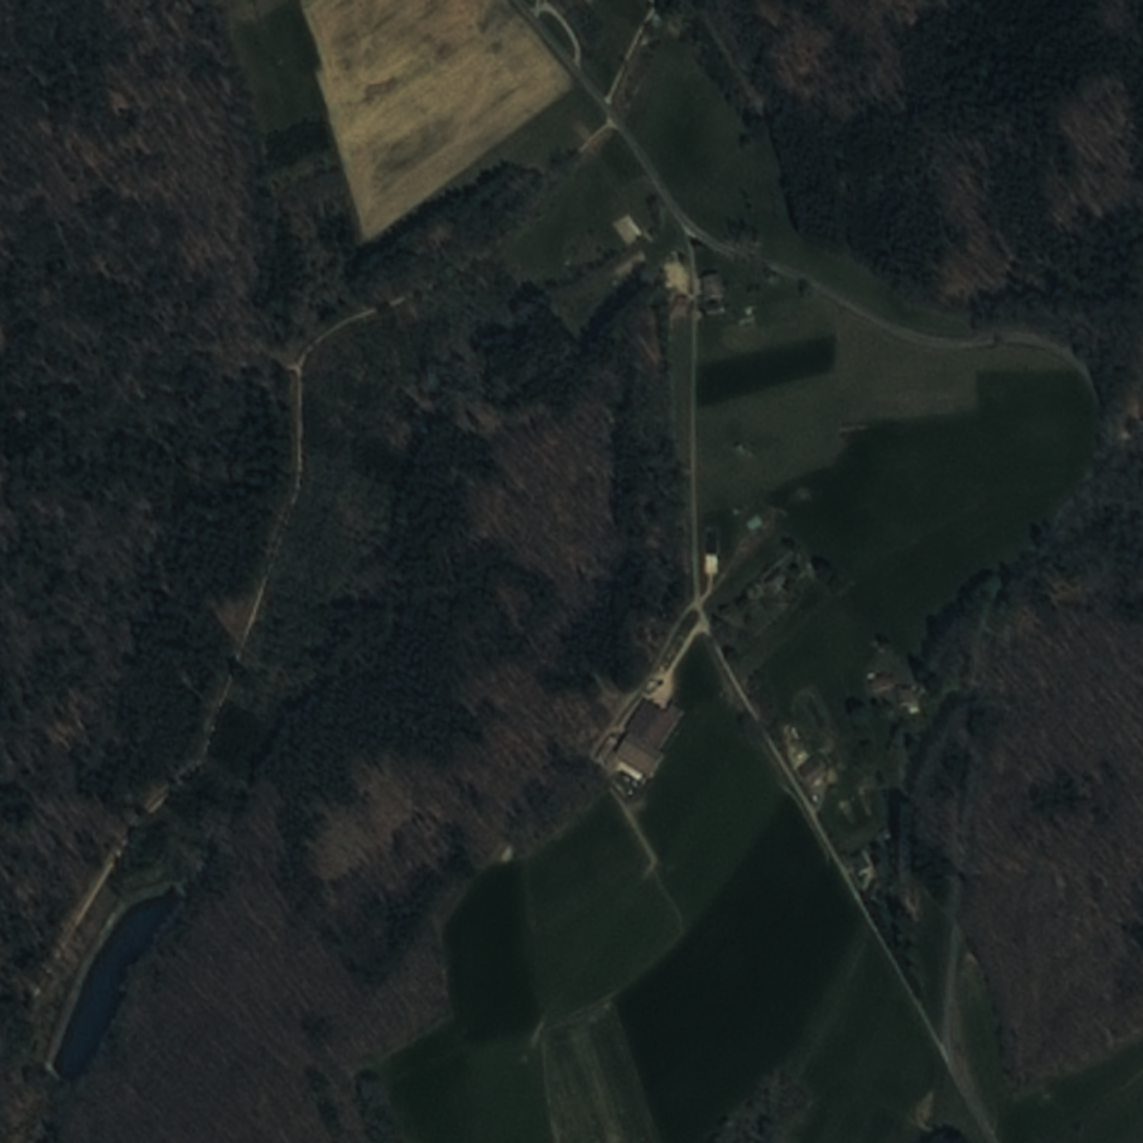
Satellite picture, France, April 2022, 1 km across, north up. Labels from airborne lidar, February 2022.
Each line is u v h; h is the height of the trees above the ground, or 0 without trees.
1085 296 10
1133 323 31
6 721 29
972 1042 0
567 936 0
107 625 28
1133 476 27
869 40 13
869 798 0
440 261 25
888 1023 0
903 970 9
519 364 33
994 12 18
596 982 0
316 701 24
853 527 0
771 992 0
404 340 7
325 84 0
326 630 12
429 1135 0
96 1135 18
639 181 0
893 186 12
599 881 0
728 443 0
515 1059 0
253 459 29
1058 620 21
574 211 0
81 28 24
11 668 31
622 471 23
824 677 0
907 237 26
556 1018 0
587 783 27
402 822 0
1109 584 34
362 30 0
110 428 27
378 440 10
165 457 9
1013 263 32
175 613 33
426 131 0
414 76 0
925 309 20
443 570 24
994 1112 0
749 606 12
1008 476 0
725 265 0
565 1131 0
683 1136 0
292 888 23
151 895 0
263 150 14
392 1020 30
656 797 0
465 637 21
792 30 16
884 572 0
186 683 21
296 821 21
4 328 23
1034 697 27
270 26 0
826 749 0
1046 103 29
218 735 8
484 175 0
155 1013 20
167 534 25
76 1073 0
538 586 24
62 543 28
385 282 23
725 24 17
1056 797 14
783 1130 19
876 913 9
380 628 24
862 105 17
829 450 0
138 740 24
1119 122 24
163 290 28
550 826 25
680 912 0
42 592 26
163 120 23
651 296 30
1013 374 0
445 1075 0
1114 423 24
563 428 22
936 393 0
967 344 0
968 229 22
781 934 0
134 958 0
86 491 27
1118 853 18
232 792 9
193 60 24
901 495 0
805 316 0
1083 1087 0
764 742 20
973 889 13
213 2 15
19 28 26
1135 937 17
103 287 9
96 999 0
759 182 0
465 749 21
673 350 13
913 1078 0
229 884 17
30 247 26
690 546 17
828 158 27
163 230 24
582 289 14
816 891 0
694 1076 0
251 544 27
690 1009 0
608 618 22
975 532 0
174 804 11
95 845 25
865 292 0
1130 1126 0
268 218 23
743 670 0
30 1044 10
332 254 8
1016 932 10
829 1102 0
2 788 25
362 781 17
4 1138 23
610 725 19
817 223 30
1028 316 31
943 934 0
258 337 23
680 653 0
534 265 0
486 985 0
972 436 0
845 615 0
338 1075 27
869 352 0
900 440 0
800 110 26
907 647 0
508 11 0
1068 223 24
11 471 8
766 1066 0
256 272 23
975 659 31
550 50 0
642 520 29
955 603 0
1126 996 14
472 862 26
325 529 15
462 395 31
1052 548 28
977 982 0
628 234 0
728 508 0
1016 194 23
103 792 23
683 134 0
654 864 0
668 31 0
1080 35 24
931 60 22
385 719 24
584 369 24
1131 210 25
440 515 25
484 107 0
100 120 31
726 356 0
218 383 23
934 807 25
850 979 0
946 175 20
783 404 0
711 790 0
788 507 0
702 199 0
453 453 25
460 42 0
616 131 0
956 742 30
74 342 26
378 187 0
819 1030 0
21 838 26
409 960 28
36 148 26
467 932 0
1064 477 0
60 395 25
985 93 25
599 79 0
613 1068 0
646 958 0
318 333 6
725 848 0
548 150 0
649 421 23
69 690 28
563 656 21
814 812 0
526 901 0
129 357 25
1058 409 0
